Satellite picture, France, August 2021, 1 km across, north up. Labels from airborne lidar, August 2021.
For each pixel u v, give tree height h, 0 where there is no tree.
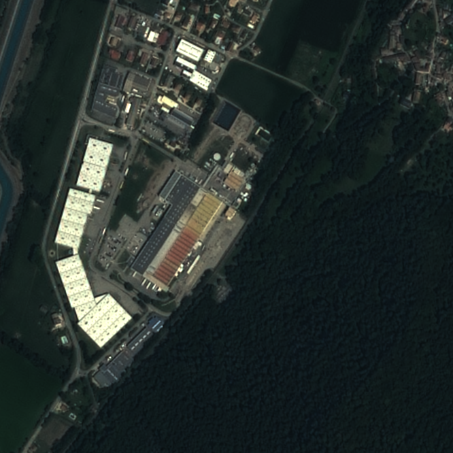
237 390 26
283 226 18
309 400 25
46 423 11
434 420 24
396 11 7
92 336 0
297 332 19
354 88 8
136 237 0
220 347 24
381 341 20
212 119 0
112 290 0
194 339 23
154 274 0
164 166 0
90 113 0
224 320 18
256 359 17
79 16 0
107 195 6
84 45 0
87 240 0
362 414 22
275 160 18
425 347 25
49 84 0
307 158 14
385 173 18
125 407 20
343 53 0
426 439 21
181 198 0
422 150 0
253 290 23
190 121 0
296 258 18
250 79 0
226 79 0
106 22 0
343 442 25
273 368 25
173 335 24
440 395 25
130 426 14
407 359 24
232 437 19
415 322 23
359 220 22
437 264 17
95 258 0
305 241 17
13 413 0
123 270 0
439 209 23
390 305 20
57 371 15
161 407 20
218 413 26
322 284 21
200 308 20
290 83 0
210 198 0
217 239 0
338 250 19
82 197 0
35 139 0
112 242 0
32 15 0
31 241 0
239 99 0
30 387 0
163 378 20
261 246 18
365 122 17
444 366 21
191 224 0
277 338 22
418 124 21
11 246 13
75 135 0
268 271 16
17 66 0
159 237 0
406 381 22
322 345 16
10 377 0
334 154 13
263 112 0
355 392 23
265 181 18
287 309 25
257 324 22
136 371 18
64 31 0
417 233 19
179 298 0
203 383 23
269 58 0
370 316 23
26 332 0
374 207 21
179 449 23
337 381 20
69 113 0
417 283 14
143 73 0
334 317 24
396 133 17
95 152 0
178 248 0
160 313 0
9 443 0
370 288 23
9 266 8
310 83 0
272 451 17
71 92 0
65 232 0
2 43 0
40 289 0
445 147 8
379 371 21
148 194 0
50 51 14
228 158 0
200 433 22
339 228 9
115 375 0
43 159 0
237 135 0
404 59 0
